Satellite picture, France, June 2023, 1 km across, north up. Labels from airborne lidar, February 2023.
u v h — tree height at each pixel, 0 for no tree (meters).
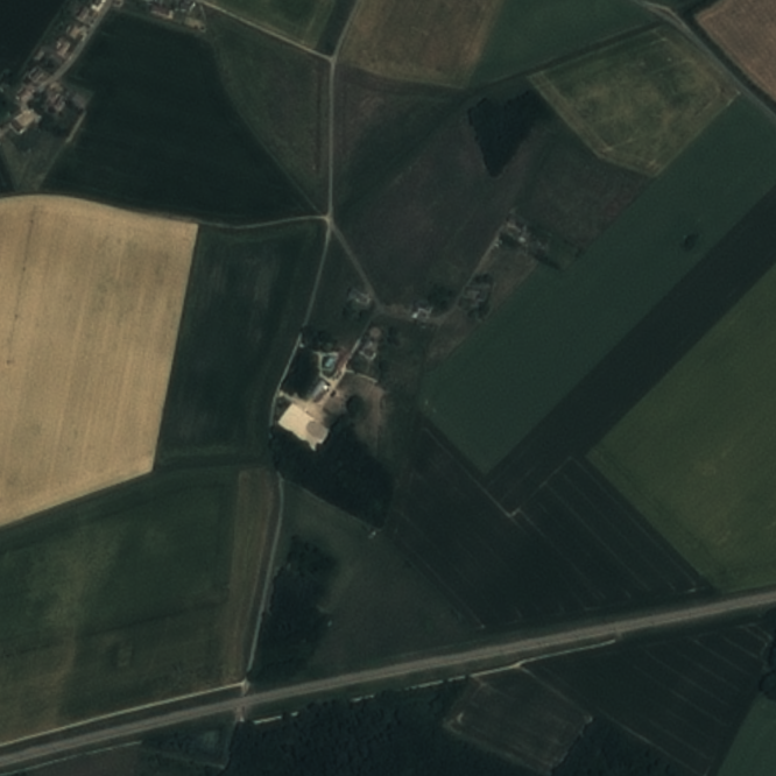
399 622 0
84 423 0
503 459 0
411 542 0
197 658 0
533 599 0
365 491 11
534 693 0
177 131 0
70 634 0
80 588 0
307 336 11
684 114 0
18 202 0
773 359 0
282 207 0
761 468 0
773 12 0
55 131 7
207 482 0
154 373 0
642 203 0
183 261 0
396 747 20
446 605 0
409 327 0
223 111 0
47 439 0
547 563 0
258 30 0
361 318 10
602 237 0
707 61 0
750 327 0
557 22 0
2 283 0
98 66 0
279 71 0
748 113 0
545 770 0
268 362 0
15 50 0
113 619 0
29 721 0
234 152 0
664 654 0
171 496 0
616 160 0
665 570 0
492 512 0
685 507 0
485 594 0
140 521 0
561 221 0
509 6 0
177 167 0
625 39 0
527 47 0
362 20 0
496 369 0
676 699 0
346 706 10
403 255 0
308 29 0
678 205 0
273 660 0
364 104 0
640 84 0
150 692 0
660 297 0
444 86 0
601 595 0
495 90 0
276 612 14
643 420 0
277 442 14
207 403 0
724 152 0
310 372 10
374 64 0
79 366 0
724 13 0
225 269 0
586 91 0
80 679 0
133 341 0
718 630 0
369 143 0
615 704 0
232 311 0
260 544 0
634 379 0
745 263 0
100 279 0
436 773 23
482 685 0
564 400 0
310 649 0
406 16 0
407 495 0
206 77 0
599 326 0
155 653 0
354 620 0
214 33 0
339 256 0
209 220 0
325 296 0
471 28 0
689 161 0
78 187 0
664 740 0
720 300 0
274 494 0
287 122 0
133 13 0
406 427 0
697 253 0
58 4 0
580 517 0
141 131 0
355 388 0
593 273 0
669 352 0
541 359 0
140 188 0
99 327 0
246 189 0
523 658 0
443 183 0
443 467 0
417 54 0
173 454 0
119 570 0
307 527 0
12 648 0
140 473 0
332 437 13
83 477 0
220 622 0
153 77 0
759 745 0
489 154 11
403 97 0
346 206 0
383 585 0
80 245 0
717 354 0
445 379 0
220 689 0
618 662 0
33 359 0
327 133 0
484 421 0
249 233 0
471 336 0
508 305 0
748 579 0
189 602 0
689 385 0
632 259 0
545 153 0
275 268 0
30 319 0
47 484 0
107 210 0
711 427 0
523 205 0
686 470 0
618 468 0
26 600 0
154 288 0
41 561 0
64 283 0
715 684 0
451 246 0
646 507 0
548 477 0
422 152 0
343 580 0
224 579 0
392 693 9
